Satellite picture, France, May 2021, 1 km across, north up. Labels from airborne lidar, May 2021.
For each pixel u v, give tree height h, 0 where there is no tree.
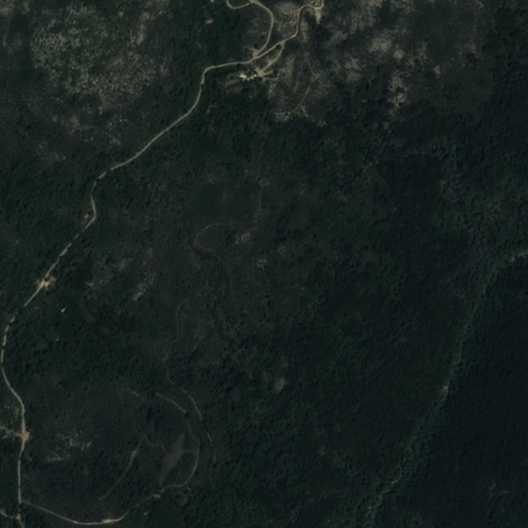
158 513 0
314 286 11
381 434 21
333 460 26
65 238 6
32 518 11
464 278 21
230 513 17
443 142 26
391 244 11
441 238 18
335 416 15
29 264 6
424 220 20
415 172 23
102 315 8
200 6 12
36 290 7
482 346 20
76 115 0
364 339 7
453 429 17
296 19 0
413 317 14
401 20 0
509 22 14
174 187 8
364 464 17
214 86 8
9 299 11
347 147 7
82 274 9
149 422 11
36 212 18
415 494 13
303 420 9
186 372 10
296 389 17
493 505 12
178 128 8
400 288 7
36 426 6
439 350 22
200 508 17
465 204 25
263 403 7
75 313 0
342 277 10
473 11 0
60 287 14
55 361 19
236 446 11
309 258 6
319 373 13
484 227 25
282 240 9
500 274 9
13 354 15
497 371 23
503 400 21
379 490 9
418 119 8
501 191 20
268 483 17
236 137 9
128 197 6
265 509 18
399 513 14
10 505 20
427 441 20
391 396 19
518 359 17
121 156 7
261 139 7
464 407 18
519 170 15
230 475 16
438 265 22
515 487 13
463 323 14
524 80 11
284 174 9
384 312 12
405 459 18
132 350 11
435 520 14
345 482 16
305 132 16
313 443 15
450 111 8
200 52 12
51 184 17
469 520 16
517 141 14
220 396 7
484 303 19
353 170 7
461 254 21
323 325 7
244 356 8
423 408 16
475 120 9
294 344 12
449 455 9
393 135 7
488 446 22
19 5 0
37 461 9
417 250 14
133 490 16
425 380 16
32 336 13
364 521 24
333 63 6
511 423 17
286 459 16
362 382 7
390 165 12
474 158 15
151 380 6
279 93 0
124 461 10
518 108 12
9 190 12
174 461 0
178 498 11
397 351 13
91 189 17
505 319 18
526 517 16
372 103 13
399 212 7
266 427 15
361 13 0
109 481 8
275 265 7
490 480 9
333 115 8
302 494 7
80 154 8
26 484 5
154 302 7
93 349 7
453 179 17
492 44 12
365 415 16
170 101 5
